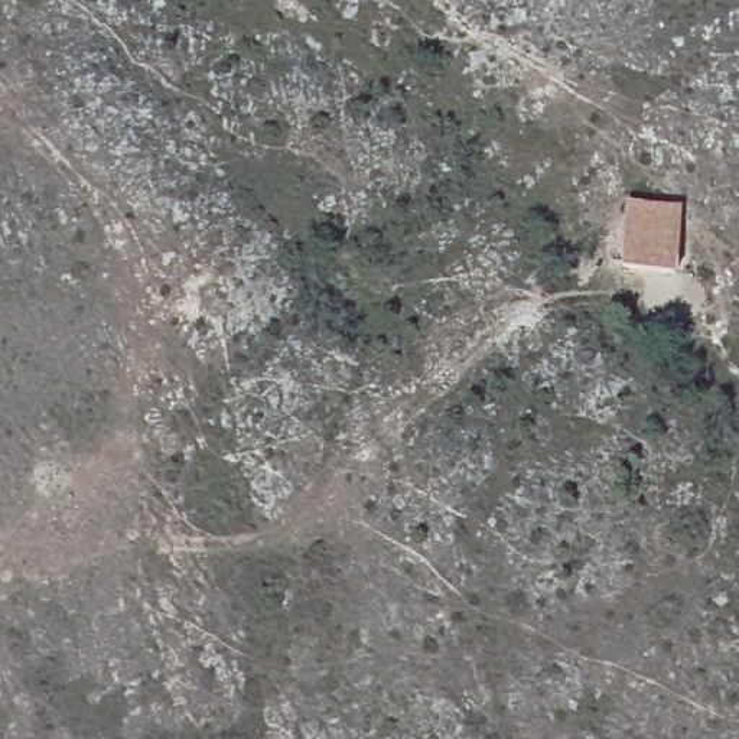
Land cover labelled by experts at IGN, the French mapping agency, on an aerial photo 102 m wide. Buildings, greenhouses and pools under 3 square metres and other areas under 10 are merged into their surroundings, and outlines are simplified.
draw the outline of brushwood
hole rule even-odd
[[[476,525],[491,517],[502,494],[520,488],[520,476],[508,476],[508,471],[517,462],[531,465],[557,456],[560,471],[566,471],[566,450],[600,447],[603,436],[612,436],[609,424],[598,424],[592,419],[577,416],[577,407],[583,401],[580,395],[586,395],[595,387],[589,378],[566,370],[557,372],[554,387],[543,387],[543,375],[534,375],[531,384],[522,384],[520,375],[502,378],[494,372],[494,367],[505,367],[505,358],[502,352],[491,352],[459,378],[459,384],[450,387],[447,395],[436,398],[433,407],[416,424],[407,424],[401,433],[401,450],[410,447],[410,439],[416,439],[419,450],[445,447],[445,462],[450,468],[456,468],[462,456],[482,462],[482,453],[494,453],[494,468],[482,485],[459,485],[465,517],[453,522],[453,534],[468,557],[485,554],[488,548],[476,540]]]
[[[453,266],[465,260],[471,234],[482,234],[488,242],[497,242],[499,237],[494,234],[494,225],[491,219],[485,219],[482,202],[494,199],[497,188],[494,179],[485,179],[476,170],[488,159],[485,141],[479,136],[456,141],[456,165],[450,167],[450,173],[427,188],[427,202],[410,205],[390,202],[387,208],[381,208],[381,225],[344,228],[344,242],[320,240],[318,234],[312,234],[312,228],[300,228],[300,240],[289,240],[277,248],[277,263],[297,286],[297,294],[292,297],[292,312],[280,312],[277,318],[271,318],[266,323],[266,332],[277,341],[289,335],[297,341],[312,341],[320,332],[338,335],[341,352],[355,358],[349,384],[344,387],[344,395],[352,395],[355,387],[367,381],[398,387],[410,384],[410,378],[416,375],[424,375],[424,344],[430,323],[445,315],[459,315],[462,309],[476,309],[473,292],[462,289],[459,283],[430,286],[430,277],[453,274]]]
[[[528,234],[537,242],[546,242],[546,254],[557,254],[560,266],[577,268],[580,260],[580,242],[569,242],[563,237],[560,222],[548,225],[540,214],[534,214],[525,222]]]
[[[684,398],[684,393],[693,387],[713,387],[719,370],[719,358],[710,349],[710,344],[696,341],[693,315],[687,303],[670,300],[655,309],[644,309],[635,292],[612,294],[621,306],[603,320],[606,335],[618,349],[629,352],[655,378],[673,378],[673,393],[678,398]]]

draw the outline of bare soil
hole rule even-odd
[[[421,185],[421,162],[427,159],[427,144],[421,139],[410,139],[407,144],[395,136],[395,130],[387,130],[378,121],[352,118],[346,113],[346,78],[335,78],[335,95],[326,95],[312,72],[292,69],[266,89],[268,107],[277,110],[289,124],[286,150],[292,156],[303,156],[300,165],[306,170],[329,173],[338,179],[338,191],[318,205],[320,211],[326,211],[326,217],[312,222],[312,228],[312,234],[318,234],[320,240],[344,242],[344,228],[381,225],[381,208],[387,208],[390,202],[410,205],[410,191]]]
[[[242,699],[237,693],[242,693],[245,687],[245,673],[240,670],[245,612],[231,612],[228,595],[222,595],[219,586],[211,583],[214,572],[208,566],[208,554],[225,554],[240,548],[277,551],[280,546],[309,546],[315,540],[323,540],[326,534],[338,534],[338,543],[349,546],[349,560],[338,563],[335,569],[344,572],[349,586],[361,595],[361,644],[349,658],[341,658],[344,675],[338,678],[338,690],[303,696],[297,687],[286,684],[280,696],[266,699],[266,739],[739,739],[739,534],[727,528],[727,517],[713,517],[710,534],[699,540],[699,554],[690,557],[678,540],[670,540],[664,534],[670,517],[690,505],[693,485],[681,482],[675,485],[675,491],[670,491],[664,485],[641,485],[641,476],[664,479],[667,471],[693,462],[696,453],[704,450],[704,436],[690,433],[678,419],[667,421],[661,413],[652,413],[650,421],[655,424],[658,436],[644,436],[641,430],[629,430],[612,413],[612,407],[598,407],[598,401],[609,395],[629,398],[635,378],[615,378],[612,372],[606,372],[603,352],[586,364],[574,355],[577,329],[563,320],[563,309],[557,300],[612,294],[635,292],[644,309],[655,309],[670,300],[687,303],[693,315],[696,341],[710,344],[710,349],[719,358],[719,370],[730,375],[730,381],[725,381],[719,390],[722,395],[733,395],[733,378],[739,381],[739,0],[433,0],[433,6],[447,17],[436,29],[436,40],[473,40],[479,46],[476,52],[471,52],[465,66],[465,75],[471,75],[473,84],[473,98],[482,98],[488,89],[525,87],[528,92],[520,92],[517,101],[520,121],[537,118],[543,130],[557,130],[563,124],[589,127],[589,136],[583,136],[580,144],[592,159],[586,159],[583,165],[572,165],[569,182],[574,185],[580,202],[580,222],[592,222],[606,234],[606,240],[589,260],[580,260],[577,268],[574,289],[543,292],[537,277],[517,266],[520,251],[502,251],[505,245],[511,245],[514,231],[499,222],[494,225],[494,234],[499,237],[497,242],[488,242],[482,234],[471,234],[465,260],[453,266],[453,274],[430,277],[430,286],[459,283],[462,289],[473,292],[476,309],[462,309],[459,315],[445,315],[430,323],[424,344],[424,375],[416,375],[410,378],[410,384],[398,387],[367,381],[355,387],[352,395],[344,395],[344,387],[349,384],[355,358],[341,352],[338,335],[320,332],[312,341],[297,341],[289,335],[277,341],[266,332],[266,323],[271,318],[277,318],[280,312],[292,312],[292,297],[297,294],[297,286],[277,263],[277,248],[271,234],[260,228],[257,219],[237,214],[228,193],[199,193],[196,199],[162,196],[165,188],[191,185],[196,170],[225,176],[225,167],[217,156],[217,136],[205,130],[196,113],[173,110],[167,115],[159,115],[156,110],[150,110],[147,98],[139,98],[139,104],[121,104],[121,95],[133,89],[130,78],[92,75],[92,64],[107,58],[104,52],[89,52],[89,38],[104,35],[121,46],[121,55],[133,66],[156,78],[167,92],[179,87],[179,75],[173,69],[173,61],[167,58],[167,49],[176,46],[182,35],[188,40],[188,52],[205,52],[205,46],[211,43],[214,23],[167,23],[165,0],[0,0],[0,739],[46,739],[35,733],[35,710],[20,673],[40,667],[46,655],[61,652],[66,664],[66,681],[78,681],[84,675],[95,678],[89,701],[101,701],[104,696],[115,693],[115,684],[124,687],[127,713],[121,719],[121,733],[127,739],[141,739],[150,730],[150,725],[159,725],[162,730],[182,730],[182,725],[188,722],[193,727],[211,725],[214,730],[225,730],[234,727],[242,716]],[[407,424],[416,424],[433,407],[436,398],[447,395],[450,387],[459,384],[459,378],[491,352],[502,352],[505,358],[505,367],[494,367],[494,372],[502,378],[520,375],[522,384],[531,384],[534,375],[543,375],[543,387],[554,387],[557,372],[566,370],[589,378],[595,387],[586,395],[580,395],[583,401],[577,407],[577,416],[592,419],[598,424],[609,424],[612,436],[603,436],[600,447],[566,450],[566,471],[560,471],[557,456],[531,465],[517,462],[508,471],[508,476],[520,476],[520,488],[502,494],[491,517],[476,525],[476,540],[488,548],[485,554],[468,557],[453,534],[453,522],[465,517],[459,485],[482,485],[494,468],[494,453],[482,453],[482,462],[462,456],[456,468],[450,468],[445,462],[445,447],[419,450],[416,439],[410,439],[410,447],[401,450],[401,433]]]
[[[289,647],[292,675],[309,684],[326,678],[329,670],[315,658],[318,638],[294,635]]]

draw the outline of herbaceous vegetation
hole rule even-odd
[[[225,176],[196,170],[191,185],[165,188],[162,196],[196,199],[199,193],[228,193],[237,214],[257,219],[260,228],[271,234],[277,248],[289,240],[300,240],[300,228],[312,228],[312,222],[326,217],[326,211],[320,211],[318,205],[338,191],[338,179],[329,173],[306,170],[300,165],[303,156],[292,156],[286,150],[289,124],[277,110],[268,107],[266,89],[292,69],[312,72],[326,95],[335,95],[335,78],[346,78],[346,113],[352,118],[378,121],[387,130],[395,130],[395,136],[407,144],[410,139],[421,139],[427,144],[427,159],[421,162],[421,185],[410,191],[410,205],[427,202],[427,188],[450,173],[450,167],[456,165],[456,141],[479,136],[485,141],[488,159],[476,170],[485,179],[494,179],[497,188],[494,199],[482,202],[485,219],[491,219],[494,225],[499,222],[514,231],[511,245],[505,245],[502,251],[520,251],[517,266],[537,277],[543,292],[574,289],[577,268],[560,266],[557,254],[546,254],[546,242],[537,242],[528,234],[525,222],[534,214],[540,214],[548,225],[560,222],[563,237],[569,242],[580,242],[580,260],[589,260],[606,240],[606,234],[592,222],[580,222],[580,202],[574,185],[569,182],[572,165],[583,165],[586,159],[592,159],[580,144],[583,136],[589,136],[589,127],[563,124],[557,130],[543,130],[537,118],[520,121],[517,101],[520,92],[528,92],[525,87],[488,89],[482,98],[473,98],[473,84],[471,75],[465,75],[465,66],[471,52],[476,52],[479,46],[473,40],[436,40],[436,29],[447,17],[433,6],[433,0],[165,0],[167,23],[214,23],[211,43],[205,46],[205,52],[188,52],[188,40],[182,35],[176,46],[167,49],[167,58],[173,61],[173,69],[179,75],[179,87],[167,92],[156,78],[133,66],[121,55],[121,46],[104,35],[89,38],[89,52],[104,52],[107,58],[92,64],[92,75],[130,78],[133,89],[121,95],[121,104],[139,104],[139,98],[147,98],[150,110],[156,110],[159,115],[167,115],[173,110],[196,113],[205,130],[217,136],[217,156],[225,167]]]
[[[606,372],[612,372],[615,378],[635,378],[629,398],[609,395],[598,401],[598,407],[612,407],[612,413],[629,430],[641,430],[644,436],[658,436],[655,424],[650,421],[652,413],[661,413],[667,421],[678,419],[690,433],[704,436],[704,450],[696,453],[693,462],[667,471],[664,479],[641,476],[641,485],[664,485],[670,491],[675,491],[675,485],[681,482],[693,485],[690,505],[670,517],[664,534],[670,540],[678,540],[690,557],[699,554],[699,540],[710,534],[713,517],[727,517],[727,528],[739,534],[739,381],[733,378],[733,395],[722,395],[719,390],[725,381],[730,381],[730,375],[719,370],[713,387],[693,387],[684,393],[684,398],[678,398],[673,393],[673,378],[655,378],[629,352],[618,349],[606,335],[603,320],[621,306],[612,294],[557,300],[563,309],[563,320],[577,329],[574,355],[586,364],[603,352]]]
[[[315,540],[309,546],[280,546],[277,551],[240,548],[225,554],[208,554],[208,566],[214,572],[211,583],[219,586],[222,595],[228,595],[231,612],[245,612],[240,670],[245,673],[245,687],[242,693],[237,693],[242,699],[242,716],[234,727],[225,730],[214,730],[211,725],[193,727],[188,722],[182,725],[182,730],[162,730],[159,725],[150,725],[150,730],[141,739],[266,739],[266,699],[280,696],[286,684],[297,687],[303,696],[338,690],[338,678],[344,675],[341,658],[349,658],[361,644],[361,595],[349,586],[344,572],[335,569],[338,563],[349,560],[349,546],[338,543],[338,534],[326,534],[323,540]],[[294,635],[318,638],[315,658],[329,670],[326,678],[309,684],[292,675],[289,647]]]
[[[35,733],[46,739],[127,739],[121,733],[121,719],[127,713],[124,687],[115,684],[115,693],[104,696],[101,701],[89,701],[95,678],[84,675],[78,681],[66,681],[66,664],[61,652],[46,655],[40,667],[20,673],[35,710]]]

